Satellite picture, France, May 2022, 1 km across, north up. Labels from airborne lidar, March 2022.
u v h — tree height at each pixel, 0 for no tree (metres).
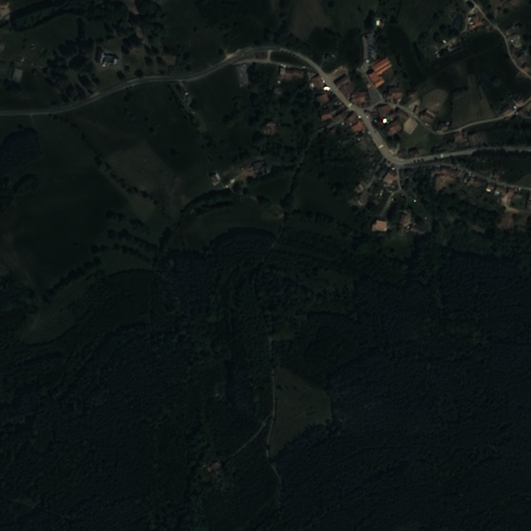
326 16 0
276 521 8
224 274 19
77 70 25
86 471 18
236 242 25
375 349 23
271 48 0
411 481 20
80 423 24
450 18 0
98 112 0
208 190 0
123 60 0
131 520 21
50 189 0
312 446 23
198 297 23
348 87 0
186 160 0
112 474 18
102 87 0
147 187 0
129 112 12
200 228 0
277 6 0
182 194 0
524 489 22
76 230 0
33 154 22
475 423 15
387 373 32
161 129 0
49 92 0
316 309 6
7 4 0
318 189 0
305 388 0
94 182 0
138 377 22
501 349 33
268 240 24
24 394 25
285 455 17
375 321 24
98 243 0
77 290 0
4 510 14
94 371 23
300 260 7
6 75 0
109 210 0
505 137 0
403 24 0
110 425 21
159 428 17
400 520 23
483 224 28
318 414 0
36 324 0
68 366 12
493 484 17
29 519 22
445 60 0
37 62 0
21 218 0
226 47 0
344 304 6
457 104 0
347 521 19
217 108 0
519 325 21
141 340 22
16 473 24
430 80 0
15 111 0
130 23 22
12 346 7
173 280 34
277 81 0
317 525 18
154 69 0
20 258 0
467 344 30
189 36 0
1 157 24
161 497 13
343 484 24
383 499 20
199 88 0
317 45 0
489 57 0
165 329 8
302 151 13
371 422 28
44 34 0
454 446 12
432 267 29
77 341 8
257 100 18
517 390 22
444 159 0
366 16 0
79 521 27
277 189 0
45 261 0
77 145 0
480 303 25
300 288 20
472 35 0
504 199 0
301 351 6
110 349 22
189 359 23
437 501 24
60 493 16
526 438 19
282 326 24
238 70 0
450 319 19
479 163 0
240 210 0
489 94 0
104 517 29
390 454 12
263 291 18
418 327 28
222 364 0
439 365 32
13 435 23
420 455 12
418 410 26
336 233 0
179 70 0
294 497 19
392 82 0
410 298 28
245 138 0
